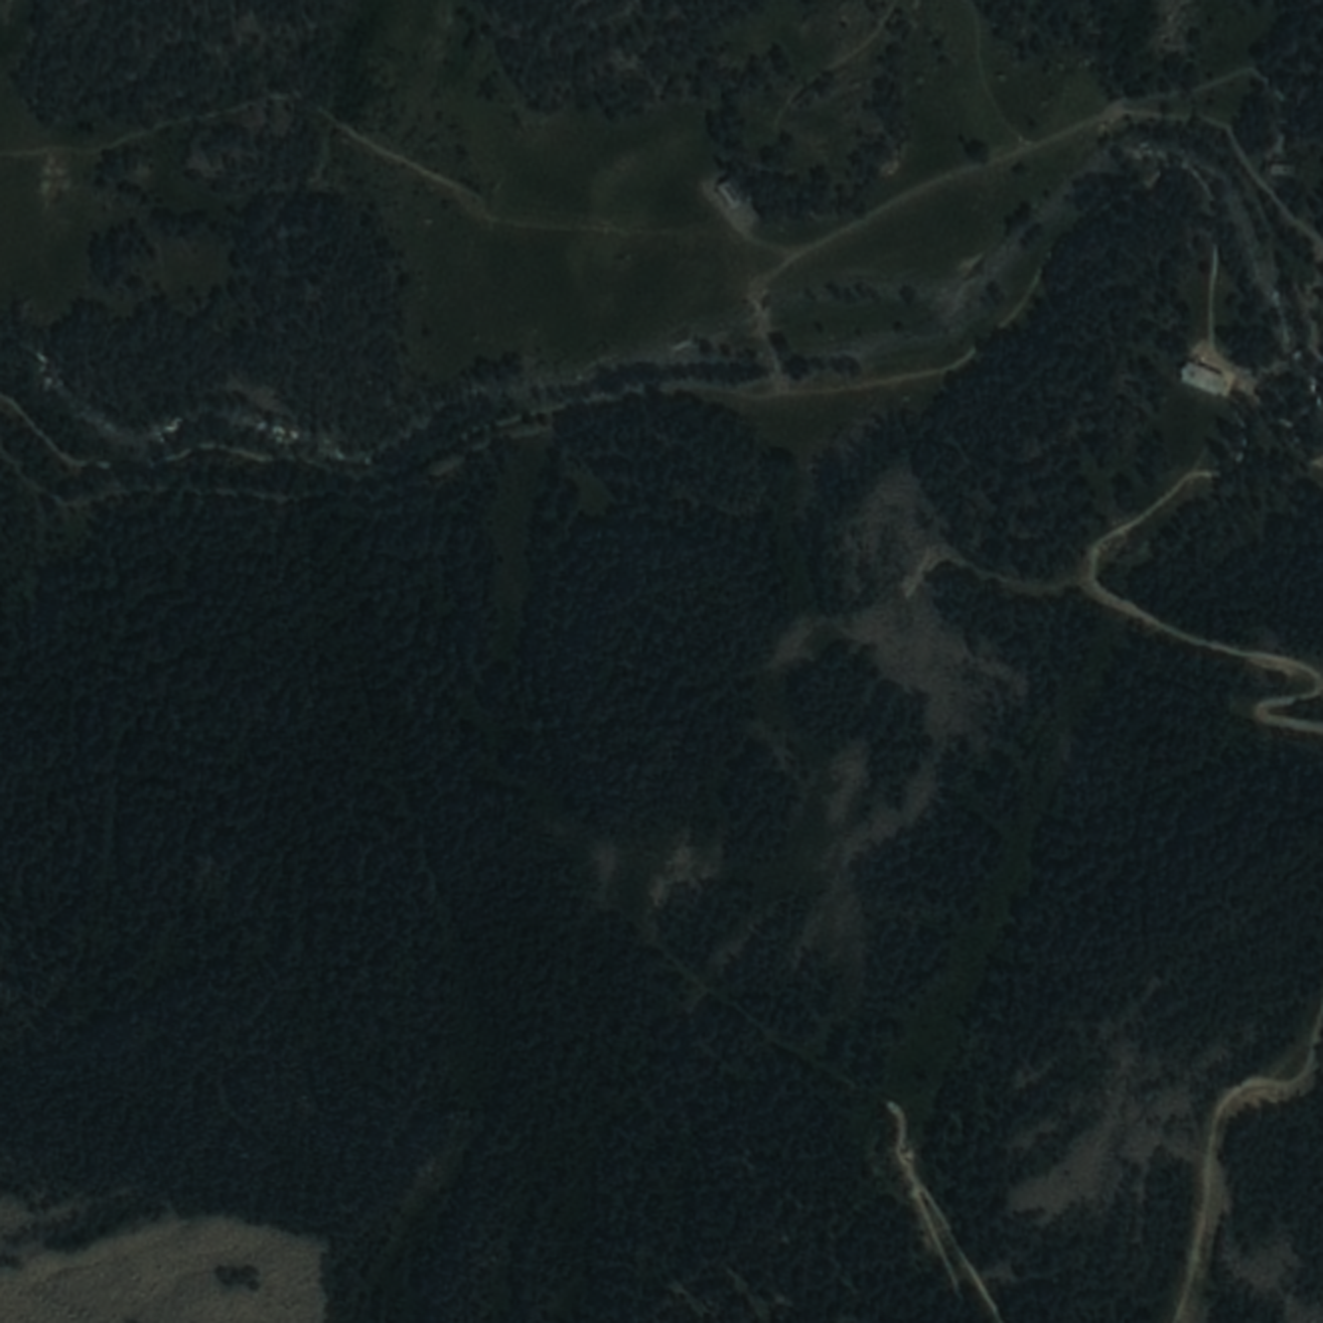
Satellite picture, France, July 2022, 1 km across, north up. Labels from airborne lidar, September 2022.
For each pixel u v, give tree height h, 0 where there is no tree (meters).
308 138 10
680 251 0
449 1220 10
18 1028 11
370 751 22
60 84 17
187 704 16
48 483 8
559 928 17
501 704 23
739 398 0
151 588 12
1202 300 0
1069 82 0
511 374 18
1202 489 0
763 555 13
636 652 16
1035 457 7
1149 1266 12
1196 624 14
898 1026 21
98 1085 12
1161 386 22
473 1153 7
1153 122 8
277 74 7
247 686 10
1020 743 8
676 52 14
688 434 26
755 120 0
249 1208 9
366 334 21
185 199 0
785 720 0
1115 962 23
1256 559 13
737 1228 13
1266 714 0
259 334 7
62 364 10
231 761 12
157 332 18
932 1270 7
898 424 12
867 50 0
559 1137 7
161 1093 13
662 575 14
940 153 0
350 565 18
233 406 19
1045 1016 25
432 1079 10
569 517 25
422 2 0
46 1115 16
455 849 21
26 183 0
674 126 0
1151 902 26
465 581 27
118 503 8
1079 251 16
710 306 0
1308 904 17
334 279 9
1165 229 17
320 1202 6
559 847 6
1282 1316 7
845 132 0
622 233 0
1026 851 0
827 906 0
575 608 19
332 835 18
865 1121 10
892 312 0
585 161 0
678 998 8
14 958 13
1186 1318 0
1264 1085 0
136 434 15
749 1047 23
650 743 16
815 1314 24
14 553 11
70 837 22
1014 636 19
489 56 0
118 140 0
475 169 0
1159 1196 17
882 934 11
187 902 13
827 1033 0
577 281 0
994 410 21
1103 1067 10
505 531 0
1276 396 16
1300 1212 13
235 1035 11
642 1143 6
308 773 19
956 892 13
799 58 0
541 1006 8
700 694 22
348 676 17
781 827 10
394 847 25
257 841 17
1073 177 0
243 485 15
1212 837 31
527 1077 10
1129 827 27
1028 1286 14
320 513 16
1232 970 18
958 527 18
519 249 0
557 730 21
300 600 34
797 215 14
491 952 16
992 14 12
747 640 21
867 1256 24
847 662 14
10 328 14
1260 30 0
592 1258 7
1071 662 16
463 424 10
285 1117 9
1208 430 0
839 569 16
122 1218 6
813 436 0
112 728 26
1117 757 19
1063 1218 6
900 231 0
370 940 12
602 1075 12
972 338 0
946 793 9
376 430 14
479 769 9
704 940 19
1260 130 16
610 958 9
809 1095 22
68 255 0
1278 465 21
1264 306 8
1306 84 16
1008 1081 14
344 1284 11
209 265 0
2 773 30
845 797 0
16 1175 12
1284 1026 16
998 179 0
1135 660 19
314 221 12
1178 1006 14
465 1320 15
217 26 7
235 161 6
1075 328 15
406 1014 10
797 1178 10
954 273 0
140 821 24
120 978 15
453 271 0
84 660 18
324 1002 9
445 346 0
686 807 11
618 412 7
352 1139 11
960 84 0
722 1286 23
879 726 23
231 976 13
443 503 18
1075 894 23
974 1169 7
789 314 0
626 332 0
